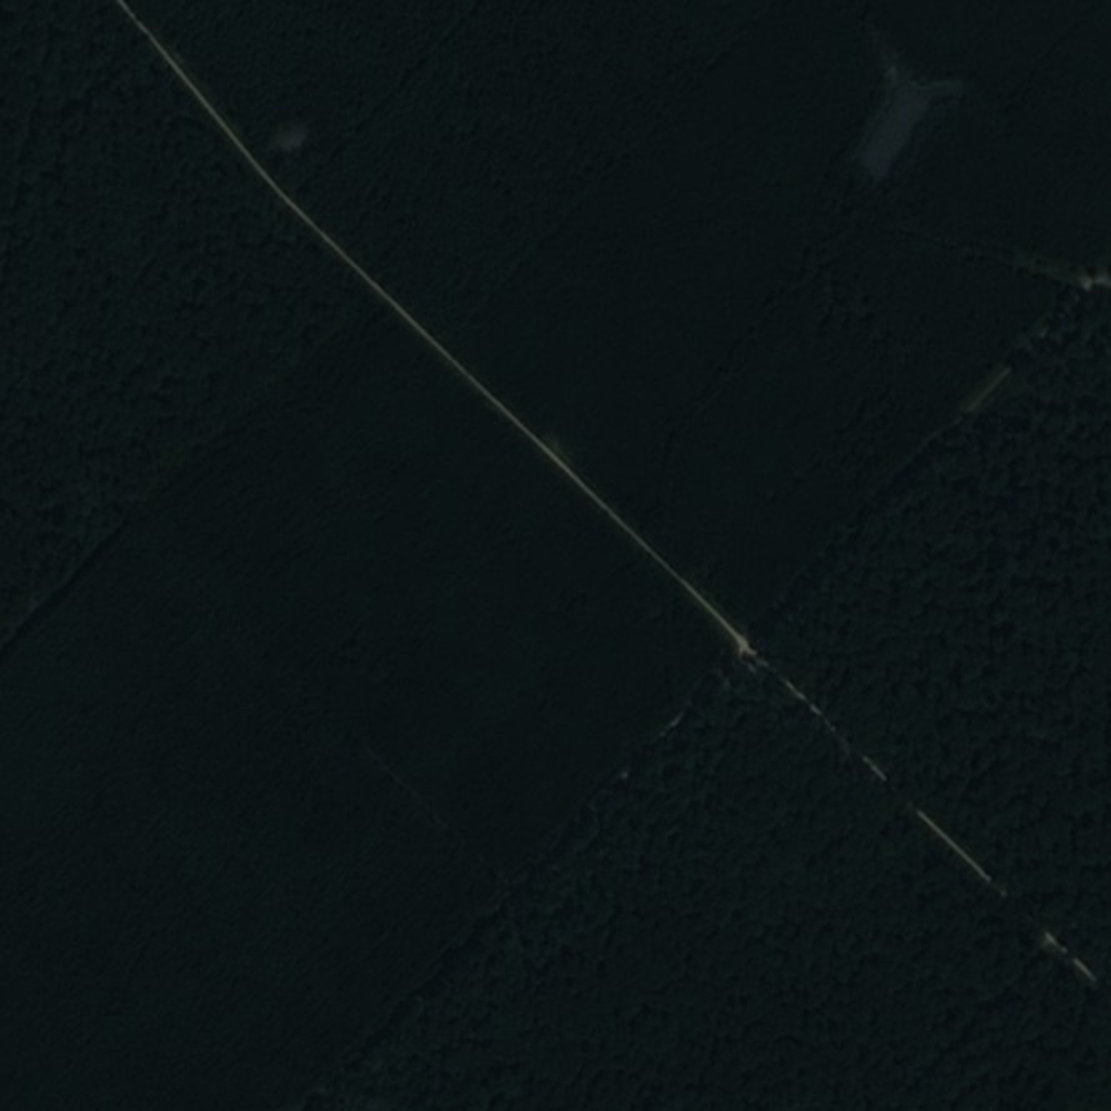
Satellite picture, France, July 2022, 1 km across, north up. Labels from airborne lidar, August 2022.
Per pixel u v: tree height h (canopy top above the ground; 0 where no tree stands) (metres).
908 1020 23
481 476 9
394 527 8
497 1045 30
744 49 9
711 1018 28
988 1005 25
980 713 28
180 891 13
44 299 24
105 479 30
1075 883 26
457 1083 32
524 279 9
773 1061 29
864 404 10
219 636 15
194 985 14
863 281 8
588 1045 27
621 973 31
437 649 8
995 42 8
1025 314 9
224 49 17
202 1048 13
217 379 31
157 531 8
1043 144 10
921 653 17
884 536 25
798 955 27
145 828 13
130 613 18
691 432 7
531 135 19
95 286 28
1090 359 24
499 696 7
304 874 12
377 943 14
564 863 27
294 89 17
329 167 19
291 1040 16
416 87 18
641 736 9
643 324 9
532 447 7
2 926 14
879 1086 29
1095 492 21
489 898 14
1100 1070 18
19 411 28
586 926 29
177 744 15
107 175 26
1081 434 29
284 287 26
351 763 15
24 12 28
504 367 10
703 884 25
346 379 8
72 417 31
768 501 8
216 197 30
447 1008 27
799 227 9
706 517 8
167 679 13
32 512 25
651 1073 20
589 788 6
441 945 17
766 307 10
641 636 8
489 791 7
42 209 22
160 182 27
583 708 7
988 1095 31
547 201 15
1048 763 29
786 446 8
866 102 9
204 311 26
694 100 10
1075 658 18
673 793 20
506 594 8
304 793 19
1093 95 8
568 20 23
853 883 25
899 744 30
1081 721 14
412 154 20
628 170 9
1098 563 26
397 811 13
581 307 8
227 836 13
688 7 16
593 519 7
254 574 9
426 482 8
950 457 16
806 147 10
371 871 12
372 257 15
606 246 11
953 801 25
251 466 8
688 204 9
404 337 10
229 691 16
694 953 30
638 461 9
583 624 7
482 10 19
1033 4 9
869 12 13
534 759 8
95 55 26
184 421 28
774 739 34
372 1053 25
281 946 13
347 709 10
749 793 26
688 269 9
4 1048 13
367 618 8
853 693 27
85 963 12
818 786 27
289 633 8
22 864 11
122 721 13
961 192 9
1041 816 27
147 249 28
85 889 14
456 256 20
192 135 23
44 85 26
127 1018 14
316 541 8
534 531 7
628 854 29
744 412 8
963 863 0
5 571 23
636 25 18
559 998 31
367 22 17
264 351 27
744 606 8
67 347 22
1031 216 8
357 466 8
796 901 26
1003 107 13
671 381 9
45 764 14
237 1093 12
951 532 27
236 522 9
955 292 9
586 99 17
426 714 7
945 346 10
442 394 8
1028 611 29
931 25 9
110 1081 13
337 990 15
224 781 15
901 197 11
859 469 7
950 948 30
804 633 30
